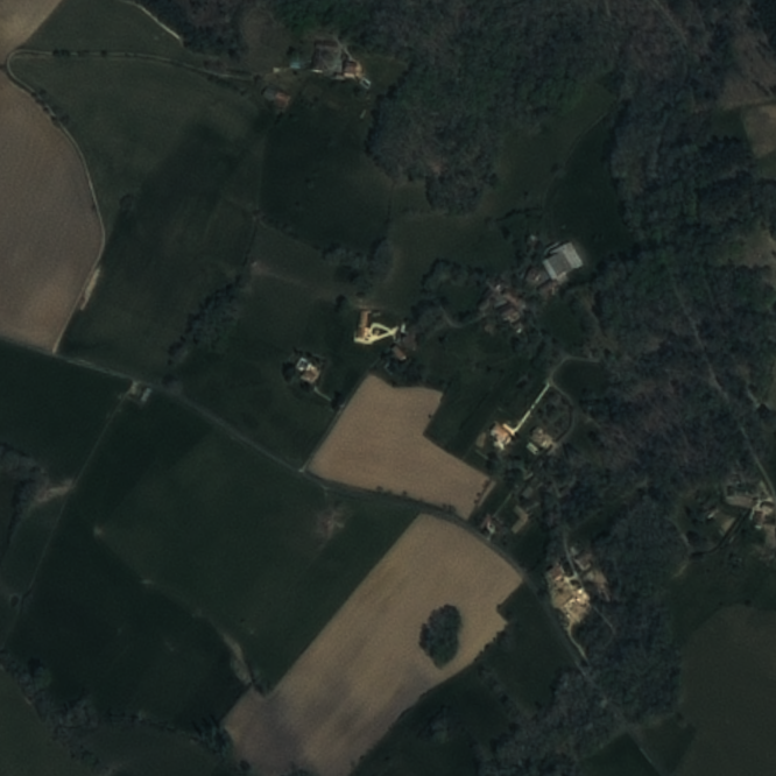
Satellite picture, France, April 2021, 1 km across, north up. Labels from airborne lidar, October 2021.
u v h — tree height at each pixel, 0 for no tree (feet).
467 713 0
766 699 0
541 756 62
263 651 0
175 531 0
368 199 0
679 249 47
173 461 0
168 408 0
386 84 0
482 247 0
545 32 73
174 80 0
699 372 62
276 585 0
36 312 0
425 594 0
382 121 60
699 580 0
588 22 66
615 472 56
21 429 0
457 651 61
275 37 0
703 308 77
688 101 63
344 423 0
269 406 0
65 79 0
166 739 0
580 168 0
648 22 67
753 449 68
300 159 0
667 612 38
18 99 0
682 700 57
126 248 0
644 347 66
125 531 0
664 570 70
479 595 0
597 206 0
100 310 0
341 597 0
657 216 57
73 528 0
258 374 0
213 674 0
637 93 52
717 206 79
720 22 35
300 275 0
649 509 71
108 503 0
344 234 0
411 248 0
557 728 70
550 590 0
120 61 0
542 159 0
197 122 0
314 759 0
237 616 0
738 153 59
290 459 0
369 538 0
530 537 0
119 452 0
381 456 0
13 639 0
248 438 0
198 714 0
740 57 71
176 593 0
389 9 65
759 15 59
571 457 62
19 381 0
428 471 0
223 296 38
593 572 0
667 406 67
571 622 0
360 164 0
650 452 72
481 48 69
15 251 0
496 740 0
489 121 71
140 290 0
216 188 0
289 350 0
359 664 0
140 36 0
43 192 0
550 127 0
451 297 0
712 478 70
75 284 0
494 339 0
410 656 0
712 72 31
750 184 75
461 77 50
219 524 0
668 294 81
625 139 74
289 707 0
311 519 0
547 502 64
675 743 0
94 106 0
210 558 0
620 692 61
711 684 0
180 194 0
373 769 0
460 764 0
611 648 50
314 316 0
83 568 0
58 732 59
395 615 0
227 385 0
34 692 56
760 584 0
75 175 0
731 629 0
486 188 79
